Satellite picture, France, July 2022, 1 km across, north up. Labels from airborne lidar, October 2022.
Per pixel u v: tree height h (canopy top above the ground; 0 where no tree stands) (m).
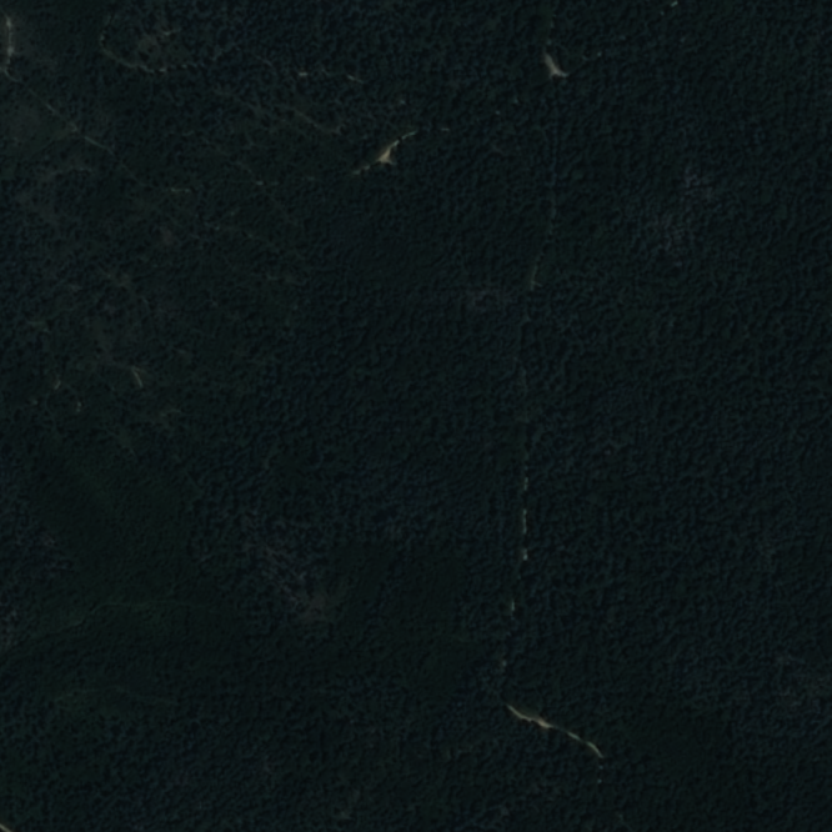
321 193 5
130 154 11
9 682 18
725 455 19
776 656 21
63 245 15
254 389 8
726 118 15
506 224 17
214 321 10
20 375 6
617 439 25
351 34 20
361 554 13
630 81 27
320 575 33
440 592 6
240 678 13
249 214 6
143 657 9
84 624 8
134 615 6
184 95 6
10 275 11
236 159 13
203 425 14
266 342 11
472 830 26
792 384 24
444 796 14
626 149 22
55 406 13
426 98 14
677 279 19
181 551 9
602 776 16
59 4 9
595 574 23
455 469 16
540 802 19
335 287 13
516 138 12
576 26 8
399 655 8
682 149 24
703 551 13
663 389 8
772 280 14
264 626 17
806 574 18
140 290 9
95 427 5
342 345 7
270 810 7
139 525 7
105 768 7
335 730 17
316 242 10
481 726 24
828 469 23
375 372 15
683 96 22
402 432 21
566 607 20
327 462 19
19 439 9
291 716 22
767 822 18
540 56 22
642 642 18
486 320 18
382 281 10
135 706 11
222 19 8
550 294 12
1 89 6
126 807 22
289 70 10
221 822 26
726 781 11
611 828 17
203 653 11
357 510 26
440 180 15
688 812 12
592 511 13
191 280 8
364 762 13
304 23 24
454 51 15
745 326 19
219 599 6
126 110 7
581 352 21
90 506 9
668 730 9
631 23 18
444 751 21
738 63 9
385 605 15
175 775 22
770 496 23
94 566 10
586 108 26
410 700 18
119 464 9
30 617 14
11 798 19
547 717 16
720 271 16
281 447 22
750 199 24
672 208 24
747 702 24
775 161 18
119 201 8
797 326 13
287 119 6
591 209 6
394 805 12
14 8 6
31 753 25
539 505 7
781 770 22
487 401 21
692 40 11
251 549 7
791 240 20
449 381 16
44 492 11
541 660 13
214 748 22
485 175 16
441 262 9
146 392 13
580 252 18
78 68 6
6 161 13
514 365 18
